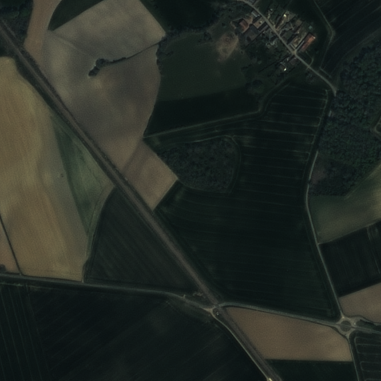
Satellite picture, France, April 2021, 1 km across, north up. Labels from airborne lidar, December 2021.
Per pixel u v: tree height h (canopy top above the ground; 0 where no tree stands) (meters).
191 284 0
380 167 0
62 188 0
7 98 0
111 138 0
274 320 0
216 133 0
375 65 25
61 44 0
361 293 0
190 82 0
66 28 0
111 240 0
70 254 0
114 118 0
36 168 0
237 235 0
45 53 0
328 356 0
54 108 0
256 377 0
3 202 0
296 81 0
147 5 0
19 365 0
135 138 0
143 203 0
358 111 25
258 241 0
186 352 0
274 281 0
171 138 0
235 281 0
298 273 0
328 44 0
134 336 0
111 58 0
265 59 0
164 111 0
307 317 0
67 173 0
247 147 0
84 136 0
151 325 0
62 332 0
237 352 0
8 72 0
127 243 0
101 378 0
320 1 0
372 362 0
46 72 0
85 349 0
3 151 0
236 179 0
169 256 0
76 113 0
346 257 0
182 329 0
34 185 0
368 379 0
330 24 0
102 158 0
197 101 0
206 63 0
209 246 0
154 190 0
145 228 0
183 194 0
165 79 0
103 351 0
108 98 0
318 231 0
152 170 0
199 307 0
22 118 0
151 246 0
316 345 0
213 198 0
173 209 0
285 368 0
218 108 0
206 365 0
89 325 0
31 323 0
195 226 0
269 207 0
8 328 0
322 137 17
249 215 0
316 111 0
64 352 0
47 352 0
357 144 26
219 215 0
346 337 0
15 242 0
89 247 0
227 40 0
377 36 0
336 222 0
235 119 0
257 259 0
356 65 8
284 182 0
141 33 0
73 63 0
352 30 0
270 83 0
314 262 0
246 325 0
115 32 0
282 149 0
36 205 0
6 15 24
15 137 0
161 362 0
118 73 0
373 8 0
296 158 0
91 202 0
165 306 0
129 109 0
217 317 0
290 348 0
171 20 0
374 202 0
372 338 0
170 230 0
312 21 0
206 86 0
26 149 0
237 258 0
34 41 0
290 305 0
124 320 0
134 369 0
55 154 0
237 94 0
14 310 0
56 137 0
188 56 0
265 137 0
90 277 0
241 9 12
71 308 0
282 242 0
